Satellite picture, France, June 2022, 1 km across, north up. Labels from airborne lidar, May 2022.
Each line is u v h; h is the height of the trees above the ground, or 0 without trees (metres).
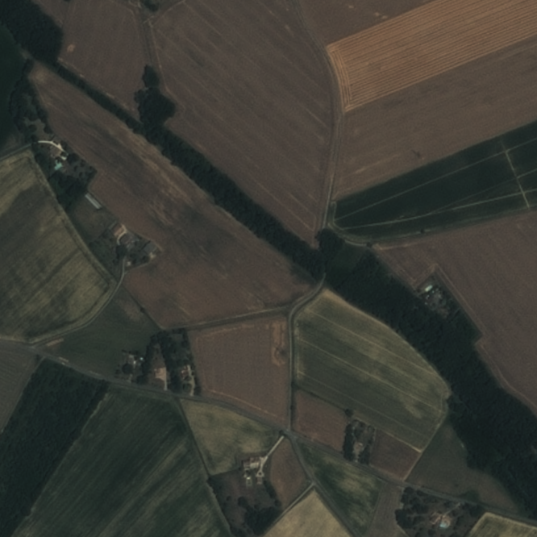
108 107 16
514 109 0
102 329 0
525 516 0
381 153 0
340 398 0
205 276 0
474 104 0
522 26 0
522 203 0
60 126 0
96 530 0
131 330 0
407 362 0
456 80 0
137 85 0
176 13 0
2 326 0
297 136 0
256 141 0
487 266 0
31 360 0
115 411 0
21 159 0
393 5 0
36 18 20
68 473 0
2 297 0
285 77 0
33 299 0
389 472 0
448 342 26
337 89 0
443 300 9
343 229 0
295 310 0
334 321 0
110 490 0
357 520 0
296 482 0
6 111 0
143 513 0
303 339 0
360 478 0
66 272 0
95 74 0
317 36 0
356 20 0
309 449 0
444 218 0
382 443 0
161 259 0
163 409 0
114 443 0
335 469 0
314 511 0
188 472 0
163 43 0
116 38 0
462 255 0
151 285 0
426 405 0
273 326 0
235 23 0
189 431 0
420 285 0
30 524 0
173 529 0
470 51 0
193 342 0
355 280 13
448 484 0
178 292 0
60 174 14
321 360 0
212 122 0
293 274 0
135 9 0
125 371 15
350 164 0
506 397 17
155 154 0
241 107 0
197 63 0
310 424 0
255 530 12
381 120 0
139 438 0
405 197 0
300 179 0
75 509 0
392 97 0
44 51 18
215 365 0
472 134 0
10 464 7
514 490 16
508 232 0
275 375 0
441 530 0
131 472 0
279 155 0
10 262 0
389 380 0
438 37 0
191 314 0
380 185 0
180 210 0
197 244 0
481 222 0
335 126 0
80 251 0
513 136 0
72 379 7
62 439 6
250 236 0
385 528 0
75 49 0
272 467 0
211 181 21
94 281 0
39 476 8
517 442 18
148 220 0
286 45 0
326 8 0
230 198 16
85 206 0
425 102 0
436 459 0
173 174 0
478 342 0
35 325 0
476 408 25
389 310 13
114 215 0
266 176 0
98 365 0
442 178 0
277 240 23
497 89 0
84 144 0
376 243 0
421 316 18
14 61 0
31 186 0
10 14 21
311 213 0
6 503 7
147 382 13
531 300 0
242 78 0
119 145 0
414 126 0
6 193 0
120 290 0
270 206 0
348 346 0
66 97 0
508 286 0
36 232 0
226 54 0
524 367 0
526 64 0
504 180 0
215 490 7
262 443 0
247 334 0
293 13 0
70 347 0
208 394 0
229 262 0
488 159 0
